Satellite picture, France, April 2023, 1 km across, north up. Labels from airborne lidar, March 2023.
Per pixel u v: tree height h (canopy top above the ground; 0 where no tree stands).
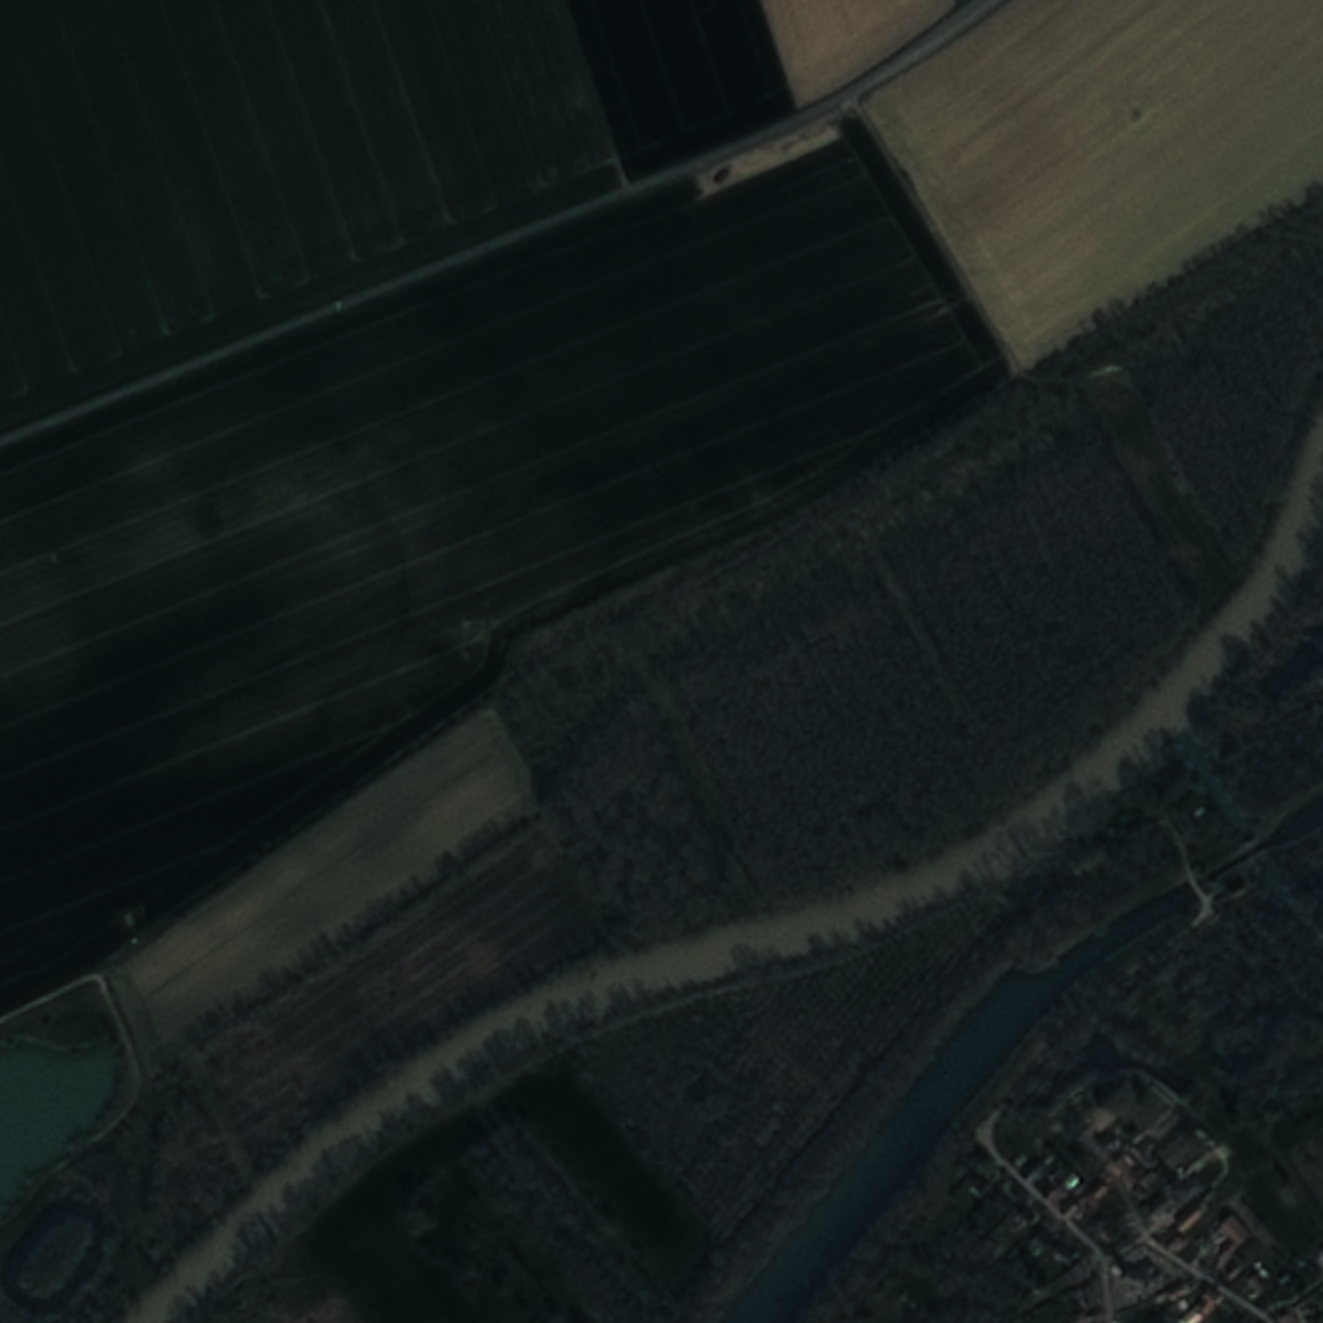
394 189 0
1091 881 9
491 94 0
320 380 0
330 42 0
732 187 0
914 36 0
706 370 0
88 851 0
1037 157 0
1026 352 0
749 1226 12
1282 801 21
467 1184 0
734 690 34
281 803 0
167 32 0
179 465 0
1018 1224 0
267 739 0
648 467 0
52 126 0
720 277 0
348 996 0
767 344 0
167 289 0
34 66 0
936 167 0
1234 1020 13
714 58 0
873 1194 0
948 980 16
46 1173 0
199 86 0
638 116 0
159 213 0
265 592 0
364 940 8
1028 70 0
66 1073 0
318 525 0
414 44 0
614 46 0
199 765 0
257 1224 0
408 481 0
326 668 0
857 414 0
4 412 0
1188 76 0
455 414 0
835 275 0
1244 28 0
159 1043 0
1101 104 0
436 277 0
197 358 0
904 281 0
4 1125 0
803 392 0
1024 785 37
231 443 0
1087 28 0
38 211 0
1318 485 0
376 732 0
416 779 0
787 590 20
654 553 0
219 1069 12
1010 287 0
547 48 0
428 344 0
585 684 19
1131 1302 0
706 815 13
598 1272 28
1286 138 0
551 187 0
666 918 32
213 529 0
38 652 0
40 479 0
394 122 0
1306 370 31
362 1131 0
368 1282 0
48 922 0
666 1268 0
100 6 0
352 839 0
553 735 12
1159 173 0
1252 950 17
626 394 0
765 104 0
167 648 0
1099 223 0
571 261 0
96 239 0
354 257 0
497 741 0
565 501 0
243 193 0
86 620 0
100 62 0
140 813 0
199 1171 0
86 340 0
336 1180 19
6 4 0
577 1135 0
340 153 0
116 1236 17
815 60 0
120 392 0
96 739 0
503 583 0
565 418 0
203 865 0
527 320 0
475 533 0
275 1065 0
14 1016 0
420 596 0
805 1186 13
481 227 0
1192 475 26
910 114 0
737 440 0
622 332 0
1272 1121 26
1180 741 12
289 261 0
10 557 0
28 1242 0
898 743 32
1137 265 0
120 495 0
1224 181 0
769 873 37
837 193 0
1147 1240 0
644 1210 0
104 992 0
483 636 0
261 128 0
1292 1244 0
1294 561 0
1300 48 0
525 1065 13
